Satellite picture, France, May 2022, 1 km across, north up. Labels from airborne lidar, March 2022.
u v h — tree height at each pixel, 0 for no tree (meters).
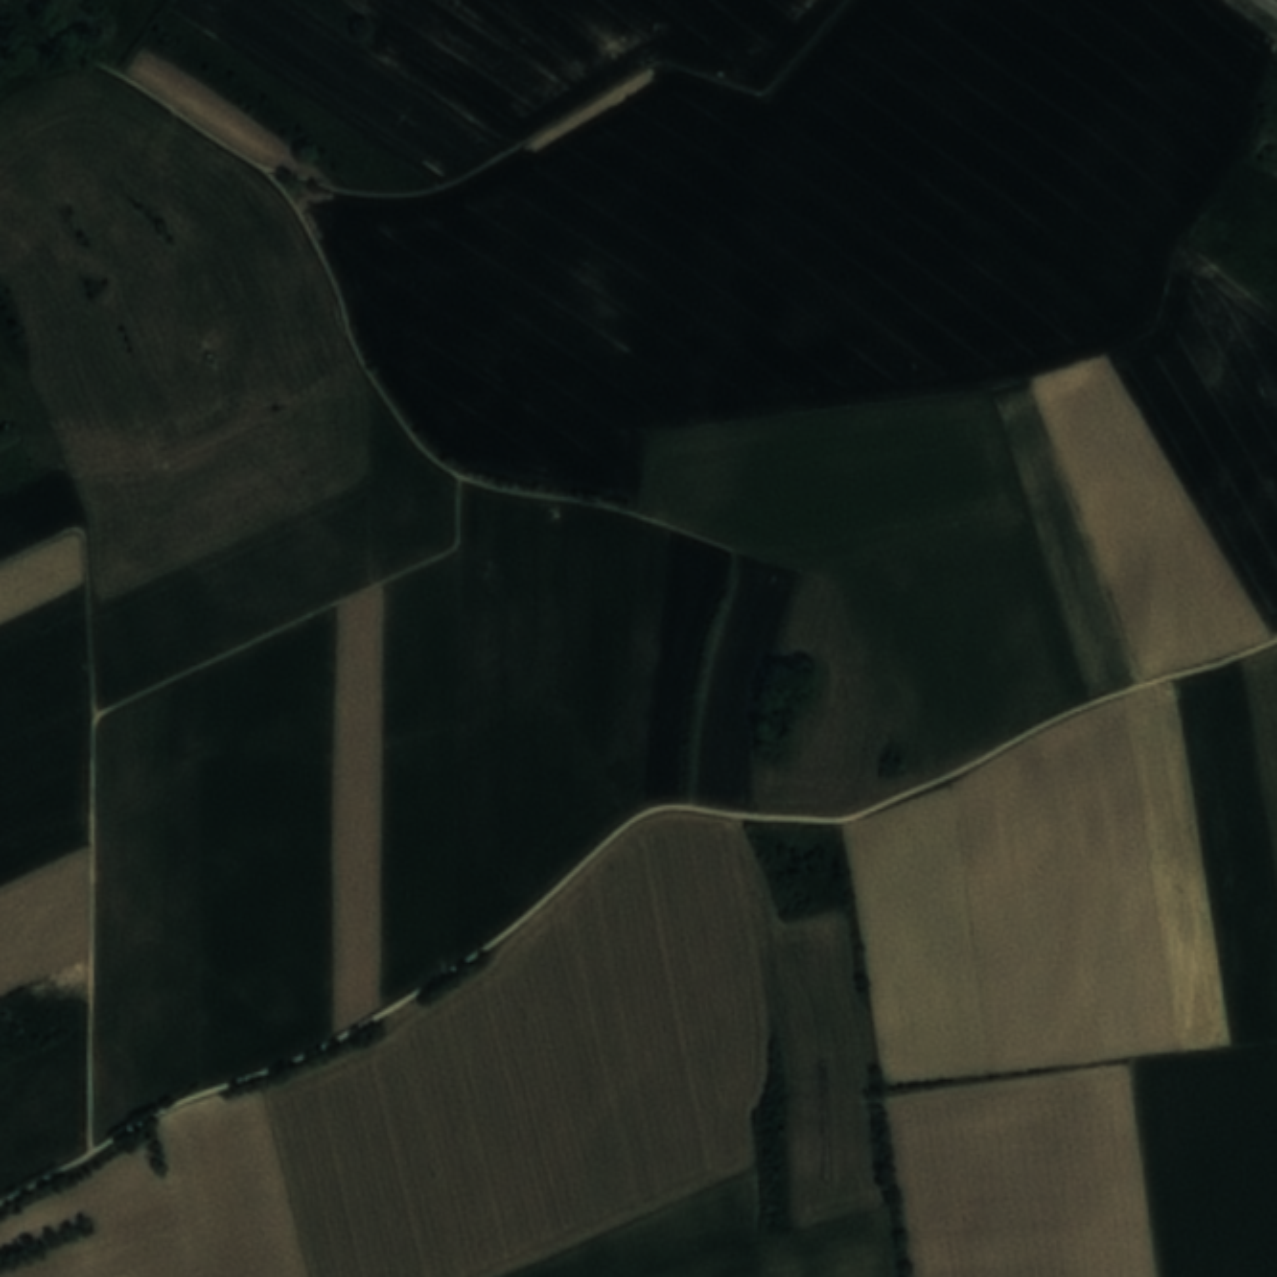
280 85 0
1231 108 0
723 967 0
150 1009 0
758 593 0
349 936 0
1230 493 0
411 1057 0
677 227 0
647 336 0
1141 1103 0
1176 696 0
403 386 0
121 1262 0
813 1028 0
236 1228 0
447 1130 0
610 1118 0
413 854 0
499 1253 0
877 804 0
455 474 0
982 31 0
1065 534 0
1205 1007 0
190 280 0
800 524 0
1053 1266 0
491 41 0
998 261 0
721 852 0
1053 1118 0
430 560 0
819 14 0
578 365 0
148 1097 0
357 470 0
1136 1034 0
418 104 0
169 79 0
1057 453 0
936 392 0
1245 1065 0
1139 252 0
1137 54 0
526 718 0
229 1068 0
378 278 0
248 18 0
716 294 0
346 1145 0
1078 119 0
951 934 0
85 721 0
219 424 0
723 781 0
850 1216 0
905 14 0
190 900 0
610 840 0
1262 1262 0
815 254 0
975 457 0
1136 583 0
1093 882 0
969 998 0
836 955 0
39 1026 0
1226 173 0
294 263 0
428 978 0
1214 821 0
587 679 0
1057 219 0
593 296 0
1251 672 0
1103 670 0
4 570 0
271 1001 0
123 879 0
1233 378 0
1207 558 0
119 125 0
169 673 0
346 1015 0
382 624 0
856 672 0
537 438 0
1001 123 0
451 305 0
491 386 0
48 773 0
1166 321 0
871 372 0
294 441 0
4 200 0
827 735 0
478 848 0
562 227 0
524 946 0
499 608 0
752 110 0
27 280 0
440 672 0
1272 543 0
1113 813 0
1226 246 0
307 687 0
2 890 0
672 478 0
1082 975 0
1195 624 0
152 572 0
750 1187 0
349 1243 0
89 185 0
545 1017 0
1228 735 0
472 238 0
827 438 0
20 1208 7
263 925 0
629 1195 0
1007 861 0
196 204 0
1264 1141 0
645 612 0
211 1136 0
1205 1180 0
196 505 0
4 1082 0
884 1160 8
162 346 0
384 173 0
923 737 0
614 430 0
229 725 0
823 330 0
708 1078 0
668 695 0
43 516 0
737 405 0
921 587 0
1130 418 0
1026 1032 0
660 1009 0
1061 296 0
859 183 0
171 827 0
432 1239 0
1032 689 0
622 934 0
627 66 0
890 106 0
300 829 0
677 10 0
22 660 0
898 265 0
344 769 0
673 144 0
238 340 0
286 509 0
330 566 0
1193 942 0
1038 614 0
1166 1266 0
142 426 0
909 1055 0
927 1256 0
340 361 0
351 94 0
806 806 0
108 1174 0
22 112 0
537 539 0
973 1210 0
